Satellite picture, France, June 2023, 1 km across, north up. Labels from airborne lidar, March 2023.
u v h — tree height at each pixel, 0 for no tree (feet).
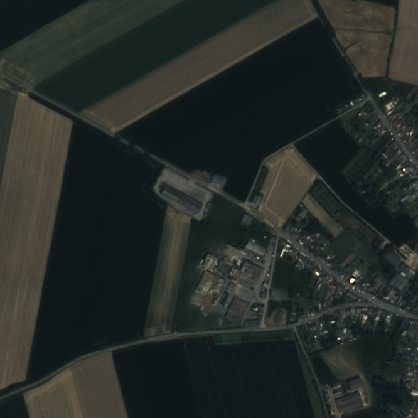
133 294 0
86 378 0
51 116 0
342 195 0
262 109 0
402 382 36
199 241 0
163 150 0
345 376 0
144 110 0
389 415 37
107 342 0
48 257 0
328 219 0
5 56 0
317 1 79
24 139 0
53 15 0
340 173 0
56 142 0
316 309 18
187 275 0
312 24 0
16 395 0
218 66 0
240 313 0
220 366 0
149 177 0
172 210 0
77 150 0
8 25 0
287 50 0
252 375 0
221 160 0
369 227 27
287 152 0
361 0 0
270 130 0
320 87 0
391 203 0
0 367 0
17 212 0
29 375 0
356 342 0
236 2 0
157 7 0
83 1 0
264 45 0
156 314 0
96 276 0
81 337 0
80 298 0
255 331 0
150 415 0
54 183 0
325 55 0
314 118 0
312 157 0
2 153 0
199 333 0
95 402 0
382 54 0
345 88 0
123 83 0
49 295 0
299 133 0
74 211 0
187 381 0
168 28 0
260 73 0
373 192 26
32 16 0
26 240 0
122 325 0
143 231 0
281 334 0
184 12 0
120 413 0
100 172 0
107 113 0
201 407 0
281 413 0
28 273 0
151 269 0
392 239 0
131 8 0
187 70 0
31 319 0
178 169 0
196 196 0
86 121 0
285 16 0
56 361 0
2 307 0
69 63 0
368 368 0
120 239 0
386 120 0
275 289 0
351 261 0
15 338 0
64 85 0
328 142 0
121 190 0
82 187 0
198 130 0
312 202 0
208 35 0
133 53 0
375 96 0
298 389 0
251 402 0
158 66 0
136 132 0
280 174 0
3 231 0
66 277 0
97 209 0
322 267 0
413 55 0
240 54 0
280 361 0
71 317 0
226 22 0
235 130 0
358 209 0
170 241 0
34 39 0
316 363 0
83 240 0
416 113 20
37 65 0
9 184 0
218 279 0
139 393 0
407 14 0
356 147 0
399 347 0
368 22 0
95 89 0
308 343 0
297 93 0
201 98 0
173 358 0
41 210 0
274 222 0
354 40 0
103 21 0
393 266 44
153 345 0
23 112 0
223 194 0
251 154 0
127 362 0
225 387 0
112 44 0
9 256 0
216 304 0
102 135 0
